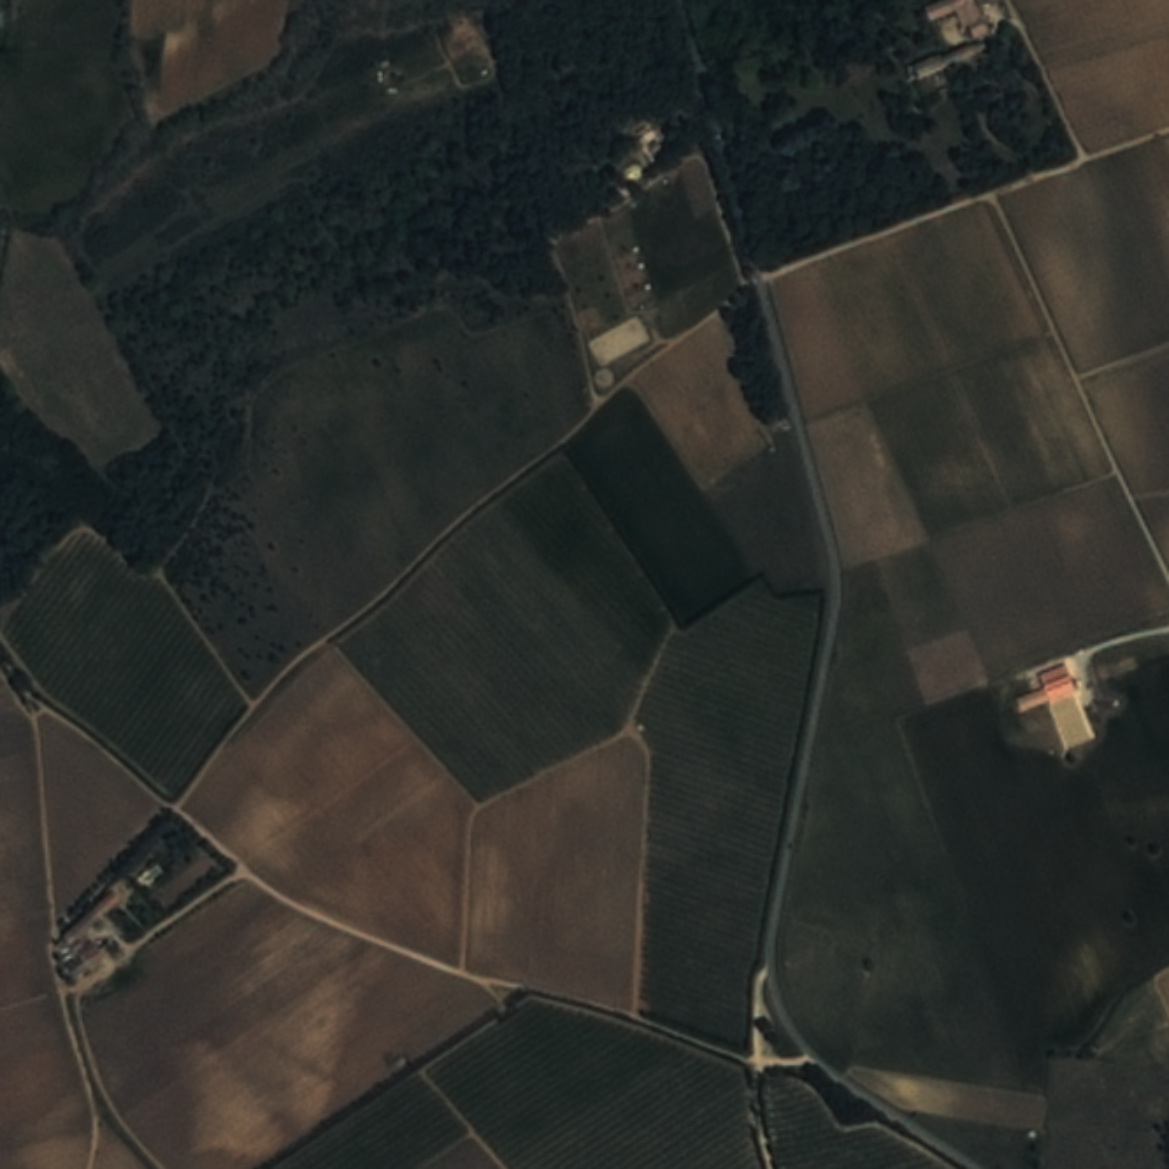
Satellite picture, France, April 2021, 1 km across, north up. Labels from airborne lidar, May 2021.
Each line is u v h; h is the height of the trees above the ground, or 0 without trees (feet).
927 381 0
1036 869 0
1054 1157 0
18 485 63
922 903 0
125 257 0
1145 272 0
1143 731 0
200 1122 0
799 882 0
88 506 29
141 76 26
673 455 0
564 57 64
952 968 0
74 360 0
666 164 59
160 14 0
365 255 31
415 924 0
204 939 0
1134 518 0
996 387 0
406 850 0
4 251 34
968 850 0
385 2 41
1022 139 22
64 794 0
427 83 0
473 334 0
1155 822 0
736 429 0
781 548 0
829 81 26
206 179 0
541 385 0
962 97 27
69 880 0
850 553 0
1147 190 0
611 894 0
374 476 0
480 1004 0
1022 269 0
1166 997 0
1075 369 0
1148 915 0
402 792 0
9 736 0
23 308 0
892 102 28
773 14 45
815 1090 24
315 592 0
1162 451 0
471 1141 0
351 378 0
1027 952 0
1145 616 0
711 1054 34
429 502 0
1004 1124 0
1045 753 0
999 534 0
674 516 0
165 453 45
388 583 0
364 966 0
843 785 0
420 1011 0
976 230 0
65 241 37
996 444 0
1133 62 0
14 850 0
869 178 41
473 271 44
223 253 35
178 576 19
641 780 0
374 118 0
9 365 0
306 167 0
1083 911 0
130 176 33
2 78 0
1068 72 0
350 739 0
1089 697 0
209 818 0
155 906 18
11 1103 0
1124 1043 0
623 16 60
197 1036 0
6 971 0
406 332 0
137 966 0
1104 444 0
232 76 0
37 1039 0
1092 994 0
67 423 0
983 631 0
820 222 43
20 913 0
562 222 66
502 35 63
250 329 31
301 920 0
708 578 0
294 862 0
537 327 0
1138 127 0
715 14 42
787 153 76
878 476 0
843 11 45
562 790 0
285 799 0
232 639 0
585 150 57
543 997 38
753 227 49
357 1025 0
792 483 0
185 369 21
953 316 0
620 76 45
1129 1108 0
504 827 0
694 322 0
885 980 0
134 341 24
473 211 49
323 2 50
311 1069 0
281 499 0
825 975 0
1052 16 0
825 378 0
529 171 54
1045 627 0
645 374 0
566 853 0
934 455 0
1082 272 0
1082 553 0
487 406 0
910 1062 0
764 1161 35
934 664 0
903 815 0
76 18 0
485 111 45
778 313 0
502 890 0
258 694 0
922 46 45
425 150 28
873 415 0
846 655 0
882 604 0
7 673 18
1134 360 0
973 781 0
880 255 0
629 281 0
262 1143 0
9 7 24
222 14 0
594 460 0
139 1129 0
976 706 0
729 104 55
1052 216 0
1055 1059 26
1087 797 0
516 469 0
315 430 0
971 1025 0
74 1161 0
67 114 0
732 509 0
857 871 0
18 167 0
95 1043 0
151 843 34
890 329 0
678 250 0
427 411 0
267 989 0
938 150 0
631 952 0
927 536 0
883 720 0
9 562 43
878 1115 25
